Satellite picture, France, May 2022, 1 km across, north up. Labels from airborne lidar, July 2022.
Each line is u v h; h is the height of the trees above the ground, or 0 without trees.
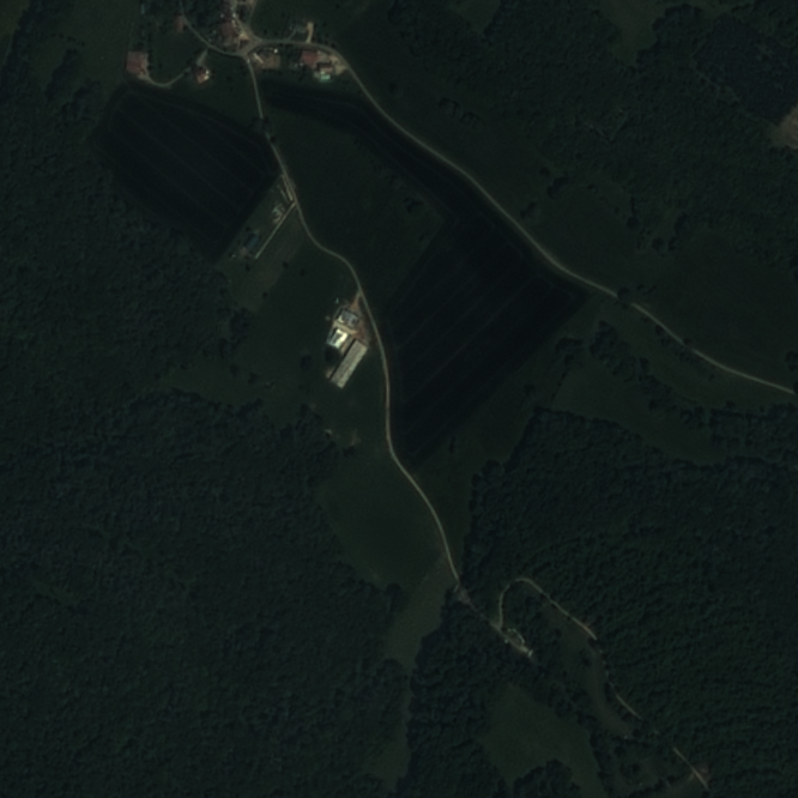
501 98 23
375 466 0
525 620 6
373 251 0
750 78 9
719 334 0
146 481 21
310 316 0
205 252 0
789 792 13
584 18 19
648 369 19
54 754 17
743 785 8
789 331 0
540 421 17
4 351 15
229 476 17
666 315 0
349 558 0
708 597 8
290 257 0
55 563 26
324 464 23
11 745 18
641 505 24
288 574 21
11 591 22
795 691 9
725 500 26
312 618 24
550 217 0
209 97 0
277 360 0
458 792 20
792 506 21
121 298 21
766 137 13
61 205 20
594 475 21
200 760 16
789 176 18
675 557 7
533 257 0
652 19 0
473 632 19
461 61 28
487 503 18
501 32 17
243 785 22
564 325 0
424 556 0
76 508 21
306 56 0
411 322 0
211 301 23
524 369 0
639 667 13
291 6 0
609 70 13
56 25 18
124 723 18
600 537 17
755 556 26
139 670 17
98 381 22
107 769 16
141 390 16
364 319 0
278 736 23
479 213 0
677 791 0
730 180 19
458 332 0
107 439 16
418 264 0
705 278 0
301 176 0
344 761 21
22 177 19
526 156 0
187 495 19
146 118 0
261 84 0
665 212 14
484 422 0
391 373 0
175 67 0
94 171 23
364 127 0
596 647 16
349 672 18
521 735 0
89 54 0
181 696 20
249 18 10
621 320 0
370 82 0
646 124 18
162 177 0
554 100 23
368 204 0
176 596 23
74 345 20
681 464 13
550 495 20
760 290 0
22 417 20
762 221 24
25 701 21
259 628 13
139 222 19
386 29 0
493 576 22
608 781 17
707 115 19
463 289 0
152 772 17
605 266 0
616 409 0
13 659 18
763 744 12
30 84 22
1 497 23
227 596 22
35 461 28
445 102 10
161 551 19
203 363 0
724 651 13
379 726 21
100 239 21
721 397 0
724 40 9
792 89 10
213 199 0
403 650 0
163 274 24
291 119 0
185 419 24
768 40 8
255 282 0
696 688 8
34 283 13
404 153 0
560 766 17
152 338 20
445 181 0
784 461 20
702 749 11
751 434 17
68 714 16
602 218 0
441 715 31
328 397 0
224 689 23
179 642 19
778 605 20
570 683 14
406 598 21
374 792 19
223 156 0
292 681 24
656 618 13
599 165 19
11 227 15
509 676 8
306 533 20
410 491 0
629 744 15
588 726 15
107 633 18
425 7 22
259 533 23
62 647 19
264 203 0
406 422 0
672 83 17
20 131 16
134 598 22
